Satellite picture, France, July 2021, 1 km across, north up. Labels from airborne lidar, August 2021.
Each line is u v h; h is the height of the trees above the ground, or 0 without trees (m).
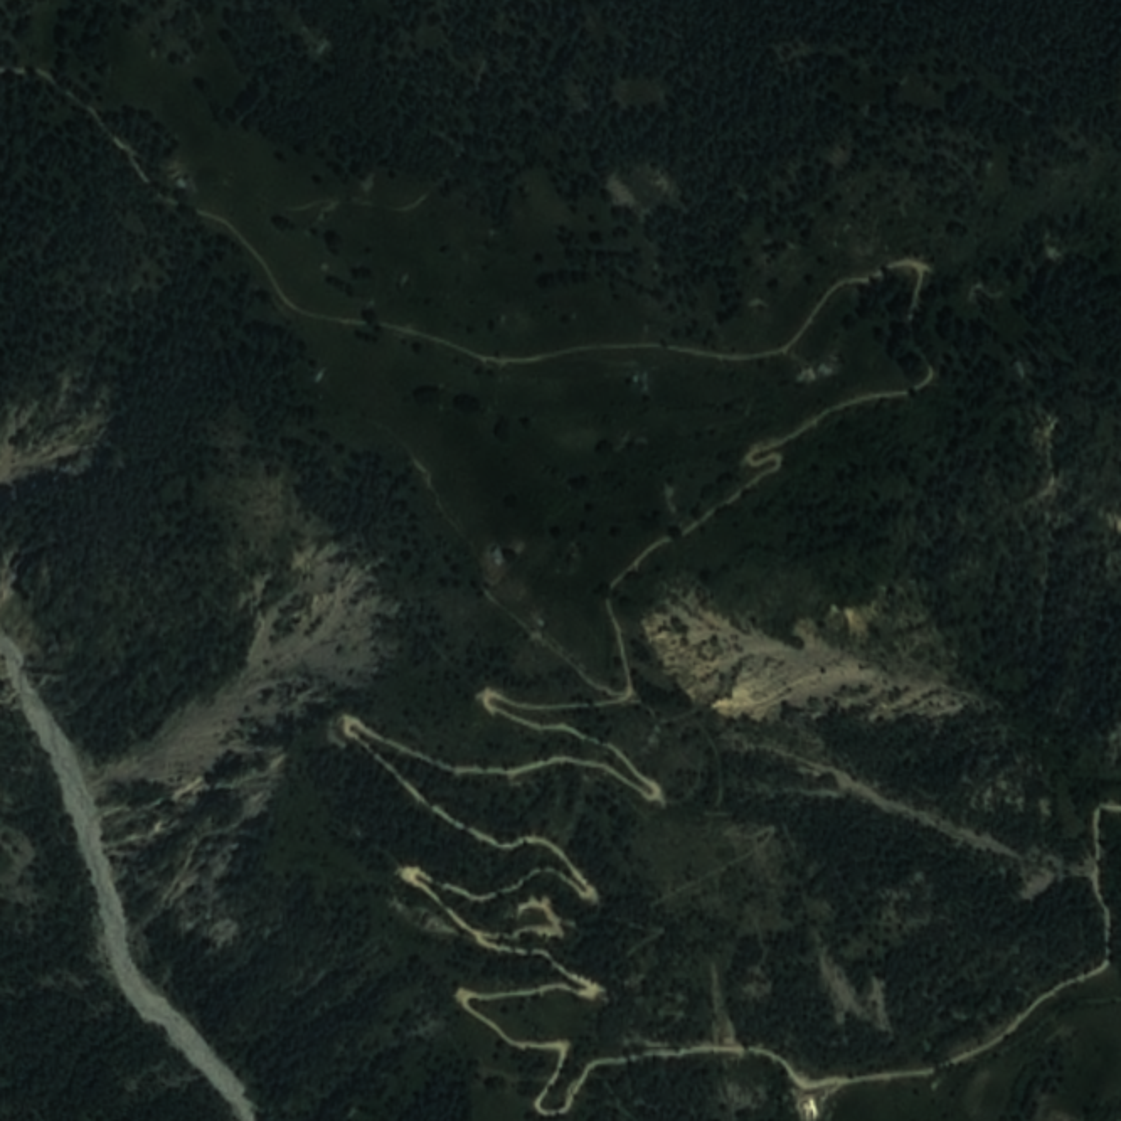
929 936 10
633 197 0
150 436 20
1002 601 9
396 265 0
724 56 23
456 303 0
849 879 14
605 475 7
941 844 7
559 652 0
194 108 0
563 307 0
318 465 18
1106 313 27
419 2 18
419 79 15
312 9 10
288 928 8
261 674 0
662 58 21
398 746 0
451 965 9
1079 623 15
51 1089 16
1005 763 7
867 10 14
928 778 7
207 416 11
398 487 17
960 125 16
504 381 0
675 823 0
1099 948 9
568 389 0
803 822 9
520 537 0
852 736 11
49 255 15
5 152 22
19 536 8
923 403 6
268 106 22
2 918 9
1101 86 26
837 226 0
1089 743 7
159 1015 0
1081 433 14
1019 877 6
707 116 26
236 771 7
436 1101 16
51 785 9
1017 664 12
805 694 0
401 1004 0
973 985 8
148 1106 12
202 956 11
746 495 10
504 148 21
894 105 15
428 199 0
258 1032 12
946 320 21
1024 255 10
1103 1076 0
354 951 8
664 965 6
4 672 0
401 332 0
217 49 0
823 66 18
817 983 10
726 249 17
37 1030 15
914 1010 10
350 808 14
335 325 0
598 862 13
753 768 10
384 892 7
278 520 0
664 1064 9
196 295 13
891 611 6
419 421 0
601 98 26
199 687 9
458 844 11
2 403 9
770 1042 9
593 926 8
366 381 0
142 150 20
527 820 8
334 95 21
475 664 10
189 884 0
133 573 8
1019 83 20
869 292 19
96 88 16
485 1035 0
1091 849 7
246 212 0
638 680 11
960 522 11
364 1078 9
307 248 0
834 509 9
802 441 10
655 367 0
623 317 0
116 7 14
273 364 15
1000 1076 0
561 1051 0
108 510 15
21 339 9
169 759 0
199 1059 0
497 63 19
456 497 0
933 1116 0
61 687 10
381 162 14
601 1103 10
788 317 0
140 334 16
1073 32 23
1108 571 9
